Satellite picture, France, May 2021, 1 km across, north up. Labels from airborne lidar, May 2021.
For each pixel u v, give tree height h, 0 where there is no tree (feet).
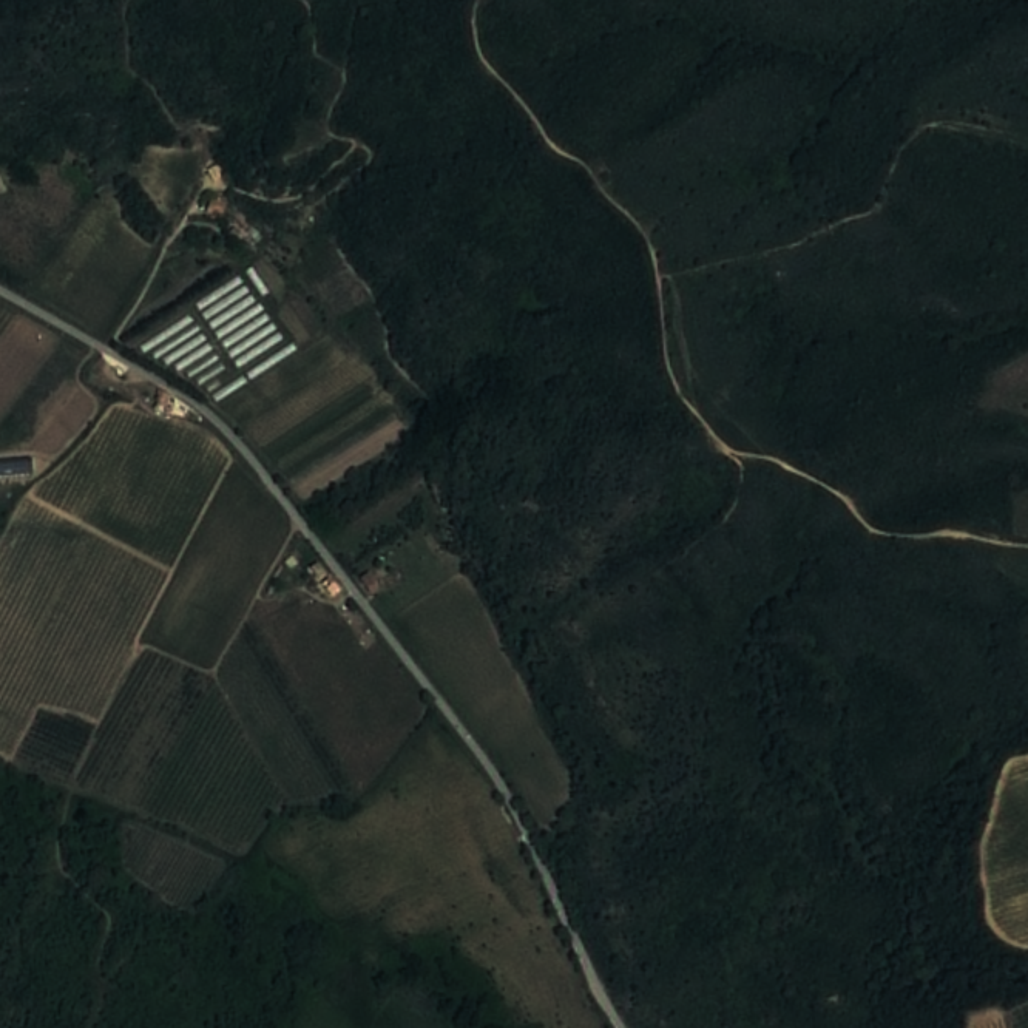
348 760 0
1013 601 19
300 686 0
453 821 0
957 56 20
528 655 40
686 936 19
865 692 21
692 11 23
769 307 28
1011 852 0
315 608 0
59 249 0
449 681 0
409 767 0
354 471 28
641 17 25
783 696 28
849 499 0
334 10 21
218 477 0
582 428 19
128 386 0
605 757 35
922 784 23
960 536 0
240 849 0
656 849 21
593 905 20
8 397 0
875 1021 43
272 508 0
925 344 26
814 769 47
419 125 25
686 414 26
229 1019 21
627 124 25
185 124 0
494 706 0
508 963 0
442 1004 38
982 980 73
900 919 40
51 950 21
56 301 0
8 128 20
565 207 28
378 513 0
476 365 30
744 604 21
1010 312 23
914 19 22
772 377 18
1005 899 0
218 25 21
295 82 20
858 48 34
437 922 0
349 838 0
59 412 0
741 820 26
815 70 39
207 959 22
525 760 0
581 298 24
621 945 0
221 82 19
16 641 0
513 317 28
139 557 0
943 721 20
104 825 42
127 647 0
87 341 0
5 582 0
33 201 0
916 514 24
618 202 0
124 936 32
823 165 18
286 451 0
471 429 40
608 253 21
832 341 21
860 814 48
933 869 55
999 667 27
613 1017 0
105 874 47
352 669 0
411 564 0
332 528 33
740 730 18
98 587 0
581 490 24
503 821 0
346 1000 0
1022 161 24
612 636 0
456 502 37
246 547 0
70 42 20
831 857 34
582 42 26
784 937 34
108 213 0
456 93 18
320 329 0
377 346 0
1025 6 43
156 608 0
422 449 63
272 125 27
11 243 0
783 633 29
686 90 33
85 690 0
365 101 17
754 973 31
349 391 0
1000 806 0
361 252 19
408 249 20
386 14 19
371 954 0
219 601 0
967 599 19
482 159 18
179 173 0
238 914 69
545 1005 0
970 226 18
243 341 0
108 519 0
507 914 0
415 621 0
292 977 20
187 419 0
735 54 25
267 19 27
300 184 27
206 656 0
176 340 0
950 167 22
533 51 19
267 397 0
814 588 18
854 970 32
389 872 0
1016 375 0
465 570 41
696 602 19
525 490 31
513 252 24
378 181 25
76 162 25
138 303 0
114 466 0
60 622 0
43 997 30
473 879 0
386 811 0
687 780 27
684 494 19
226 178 30
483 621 0
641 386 19
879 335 22
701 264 22
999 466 20
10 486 0
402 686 0
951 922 31
